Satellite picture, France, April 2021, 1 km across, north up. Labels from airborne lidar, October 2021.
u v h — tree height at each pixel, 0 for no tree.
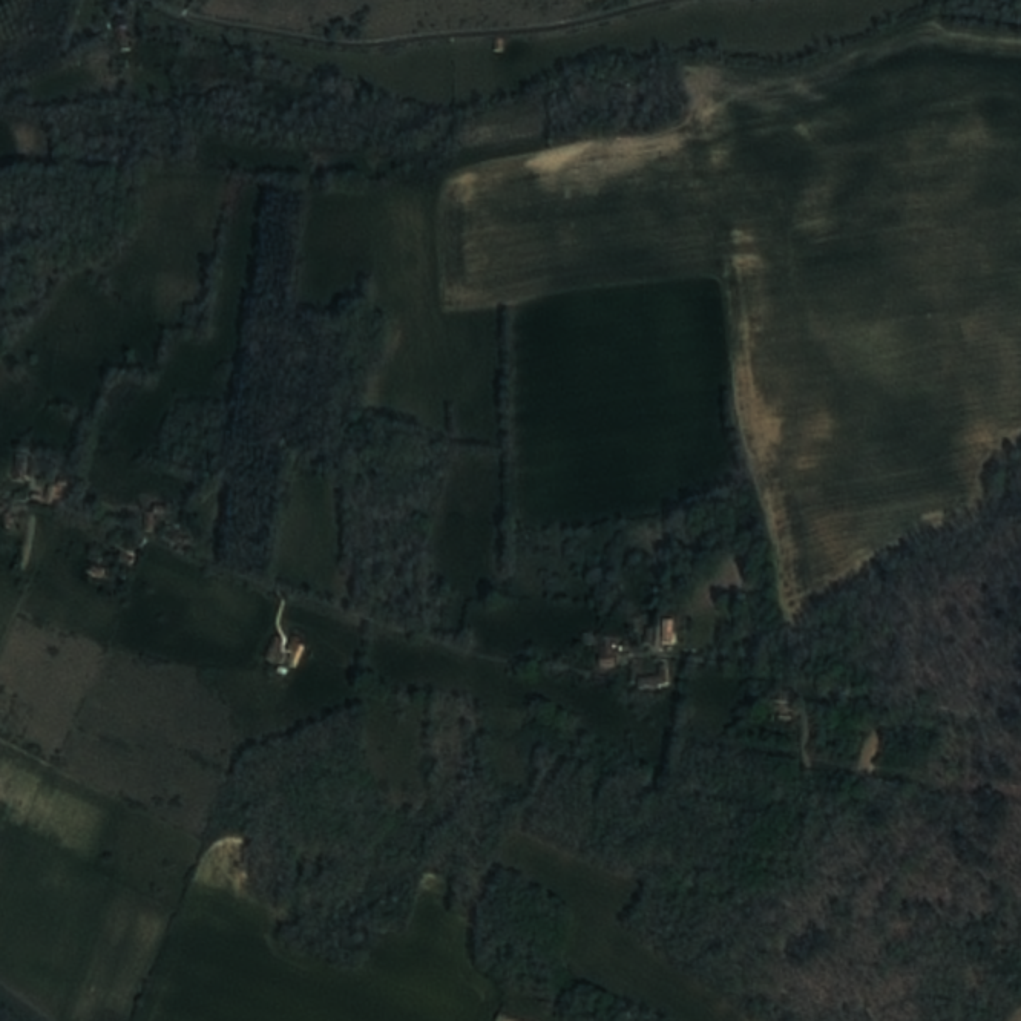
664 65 23
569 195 0
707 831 18
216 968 0
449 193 0
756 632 13
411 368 0
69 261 18
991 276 0
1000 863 18
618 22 0
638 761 8
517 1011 0
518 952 29
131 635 0
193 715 0
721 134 0
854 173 0
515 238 0
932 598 16
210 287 20
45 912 0
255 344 20
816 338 0
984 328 0
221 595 0
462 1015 0
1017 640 15
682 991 0
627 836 18
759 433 0
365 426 22
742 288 0
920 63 0
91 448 15
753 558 23
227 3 0
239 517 17
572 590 0
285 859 26
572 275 0
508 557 18
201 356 0
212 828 11
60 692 0
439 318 0
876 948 18
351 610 16
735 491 16
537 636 0
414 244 0
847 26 0
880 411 0
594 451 0
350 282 0
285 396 17
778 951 27
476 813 19
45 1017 0
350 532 18
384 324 18
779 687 12
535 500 0
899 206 0
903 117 0
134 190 9
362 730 13
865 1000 21
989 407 0
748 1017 16
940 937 20
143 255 0
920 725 18
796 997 21
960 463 0
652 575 6
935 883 13
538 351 0
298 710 0
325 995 0
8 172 19
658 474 0
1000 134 0
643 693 11
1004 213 0
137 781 0
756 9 0
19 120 14
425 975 0
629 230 0
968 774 20
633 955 0
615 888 0
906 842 16
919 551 20
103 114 24
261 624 0
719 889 24
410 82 0
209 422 9
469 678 0
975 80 0
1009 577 22
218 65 0
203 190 0
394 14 0
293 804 20
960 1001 25
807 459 0
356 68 0
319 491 0
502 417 9
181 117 25
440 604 14
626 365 0
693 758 14
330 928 16
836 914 18
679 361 0
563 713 13
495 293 0
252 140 22
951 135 0
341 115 22
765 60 8
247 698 0
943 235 0
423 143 27
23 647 0
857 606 20
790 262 0
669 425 0
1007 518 16
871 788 21
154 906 0
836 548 0
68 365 0
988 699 12
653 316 0
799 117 0
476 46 0
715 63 12
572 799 21
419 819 12
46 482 12
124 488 0
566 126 20
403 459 23
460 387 0
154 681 0
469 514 0
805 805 13
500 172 0
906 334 0
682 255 0
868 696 11
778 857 18
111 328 0
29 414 0
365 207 0
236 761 7
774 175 0
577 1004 26
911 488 0
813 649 20
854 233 0
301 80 14
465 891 19
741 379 0
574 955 0
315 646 0
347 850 28
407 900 15
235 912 0
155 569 0
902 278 0
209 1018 0
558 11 0
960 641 18
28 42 13
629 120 18
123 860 0
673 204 0
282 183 19
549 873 0
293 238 18
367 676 19
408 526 12
